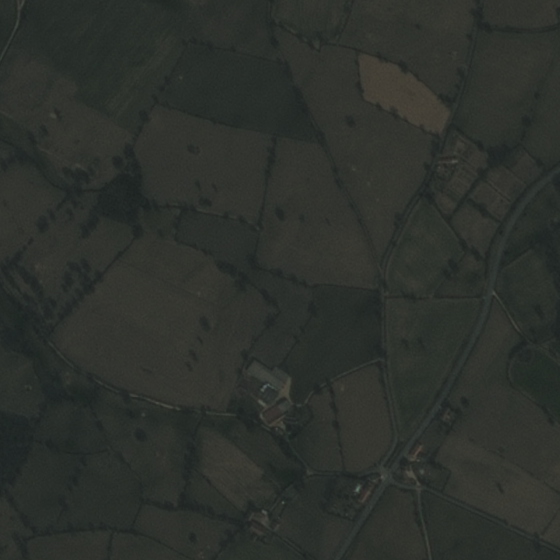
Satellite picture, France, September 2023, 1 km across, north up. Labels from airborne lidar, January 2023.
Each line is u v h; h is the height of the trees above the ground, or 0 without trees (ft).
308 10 0
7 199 0
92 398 57
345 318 0
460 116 0
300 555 0
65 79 0
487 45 0
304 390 0
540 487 0
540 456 0
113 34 0
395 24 0
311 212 0
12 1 0
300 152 0
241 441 0
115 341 0
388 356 30
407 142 0
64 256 0
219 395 0
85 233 56
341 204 0
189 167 0
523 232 0
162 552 0
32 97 0
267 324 30
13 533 0
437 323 0
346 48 0
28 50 0
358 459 0
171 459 0
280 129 0
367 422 0
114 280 0
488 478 0
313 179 0
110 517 0
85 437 0
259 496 0
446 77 0
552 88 0
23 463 28
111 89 0
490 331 0
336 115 0
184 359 0
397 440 0
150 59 0
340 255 0
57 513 0
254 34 0
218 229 0
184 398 0
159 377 0
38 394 0
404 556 0
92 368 0
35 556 0
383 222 0
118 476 0
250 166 0
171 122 0
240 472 0
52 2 0
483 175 50
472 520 0
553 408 0
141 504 28
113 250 0
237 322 0
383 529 0
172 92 0
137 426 0
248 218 0
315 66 0
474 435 0
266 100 0
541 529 0
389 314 0
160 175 0
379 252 0
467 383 0
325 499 44
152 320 0
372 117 0
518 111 0
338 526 0
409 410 0
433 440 0
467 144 0
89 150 0
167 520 0
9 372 0
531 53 0
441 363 0
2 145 0
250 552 0
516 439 0
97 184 0
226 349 0
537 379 0
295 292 0
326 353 0
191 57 0
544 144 0
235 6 0
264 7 0
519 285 0
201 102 0
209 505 0
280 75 0
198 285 0
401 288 0
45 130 38
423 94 0
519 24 0
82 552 0
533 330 37
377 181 0
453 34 0
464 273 0
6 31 0
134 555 0
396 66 0
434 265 0
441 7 0
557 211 0
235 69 0
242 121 0
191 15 0
